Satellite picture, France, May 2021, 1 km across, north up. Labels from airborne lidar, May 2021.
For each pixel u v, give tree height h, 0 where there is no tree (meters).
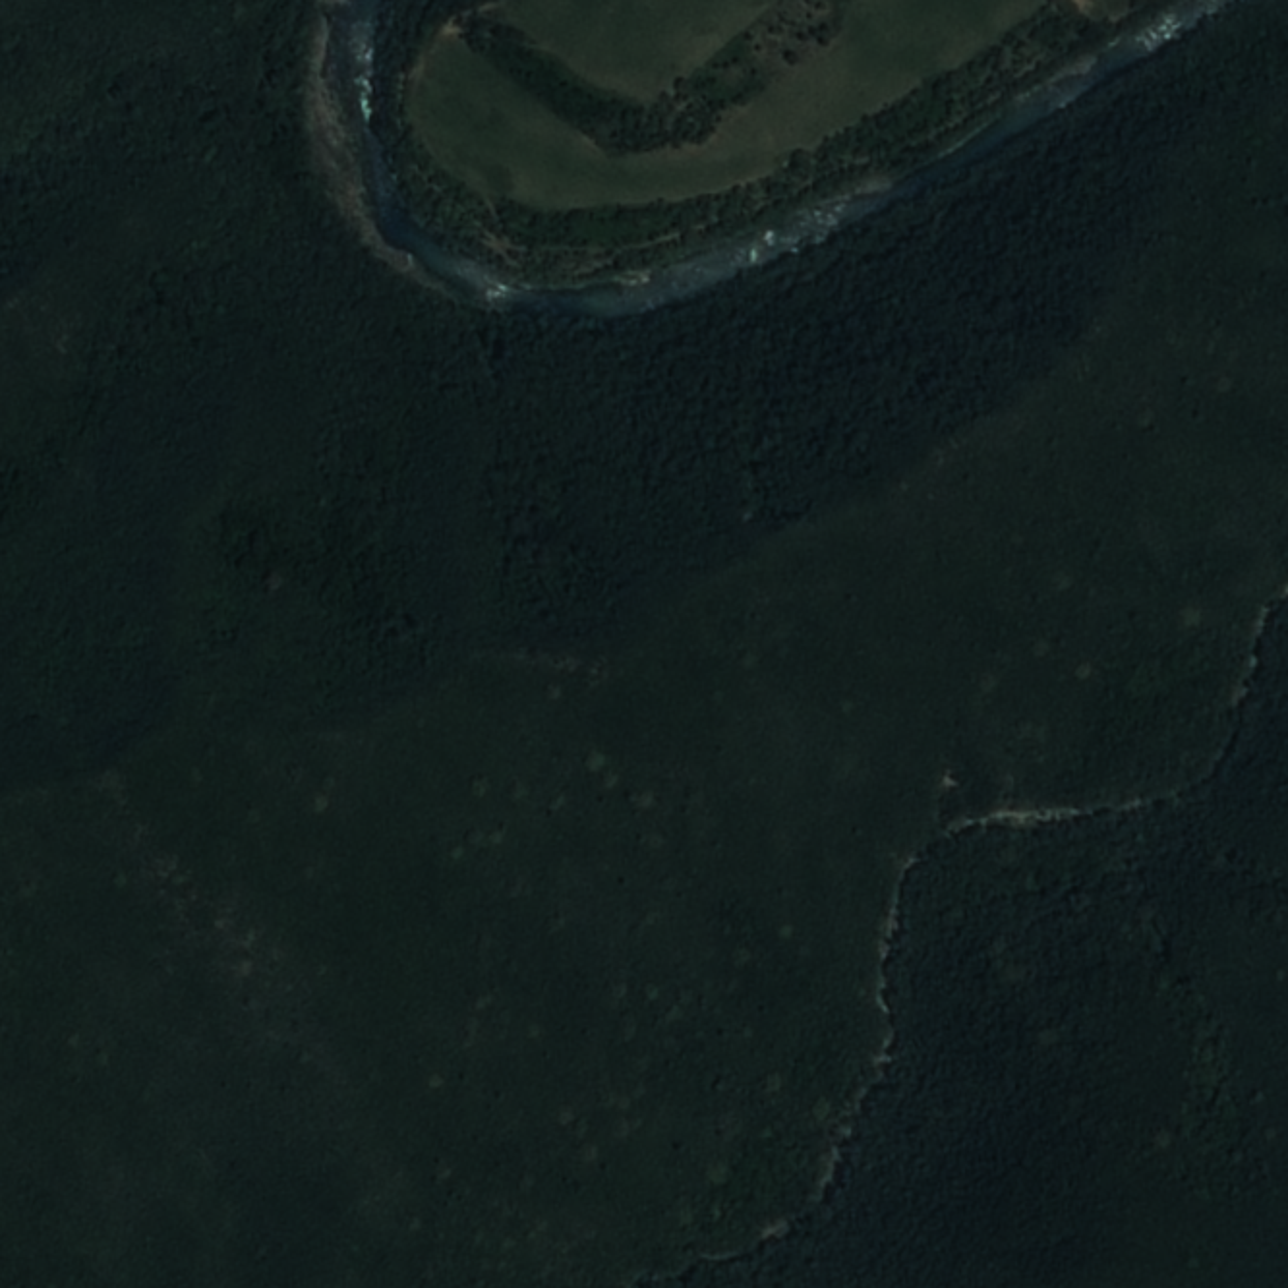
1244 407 8
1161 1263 6
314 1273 6
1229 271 9
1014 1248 7
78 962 9
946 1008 10
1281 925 8
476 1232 9
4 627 8
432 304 14
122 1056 7
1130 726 10
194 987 7
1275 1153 8
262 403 9
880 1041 10
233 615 8
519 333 15
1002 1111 10
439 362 12
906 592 7
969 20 0
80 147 15
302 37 9
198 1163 6
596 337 25
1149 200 8
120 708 8
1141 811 11
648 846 7
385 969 7
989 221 14
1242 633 9
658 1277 22
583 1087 8
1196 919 9
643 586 7
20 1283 10
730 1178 13
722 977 8
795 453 8
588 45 0
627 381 14
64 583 8
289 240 15
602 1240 7
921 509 6
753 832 6
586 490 7
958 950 12
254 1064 7
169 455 8
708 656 7
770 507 7
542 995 8
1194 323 6
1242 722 14
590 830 7
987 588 8
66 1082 7
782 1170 11
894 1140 10
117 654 9
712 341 17
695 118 10
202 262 19
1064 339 9
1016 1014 10
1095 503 9
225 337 8
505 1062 7
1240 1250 5
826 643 8
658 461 15
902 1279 10
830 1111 11
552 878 8
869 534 6
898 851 9
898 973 10
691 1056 13
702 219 12
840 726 6
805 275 14
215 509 5
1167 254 8
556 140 0
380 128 22
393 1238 7
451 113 0
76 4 8
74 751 7
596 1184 7
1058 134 9
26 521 7
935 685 8
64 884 6
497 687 7
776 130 0
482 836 10
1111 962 11
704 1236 9
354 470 9
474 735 6
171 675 6
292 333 7
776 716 6
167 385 7
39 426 9
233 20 10
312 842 5
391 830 6
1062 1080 10
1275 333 10
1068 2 10
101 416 9
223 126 20
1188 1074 11
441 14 9
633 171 0
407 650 7
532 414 19
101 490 6
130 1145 7
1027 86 14
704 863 7
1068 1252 9
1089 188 16
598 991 9
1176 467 7
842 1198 19
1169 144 11
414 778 6
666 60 0
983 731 10
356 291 12
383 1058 6
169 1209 7
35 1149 8
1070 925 15
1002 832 14
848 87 0
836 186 12
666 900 6
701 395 10
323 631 7
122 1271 7
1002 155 10
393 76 13
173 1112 8
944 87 13
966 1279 7
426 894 6
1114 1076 9
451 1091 5
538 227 11
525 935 9
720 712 6
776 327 15
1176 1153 8
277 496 11
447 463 9
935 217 13
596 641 7
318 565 11
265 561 13
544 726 8
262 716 6
